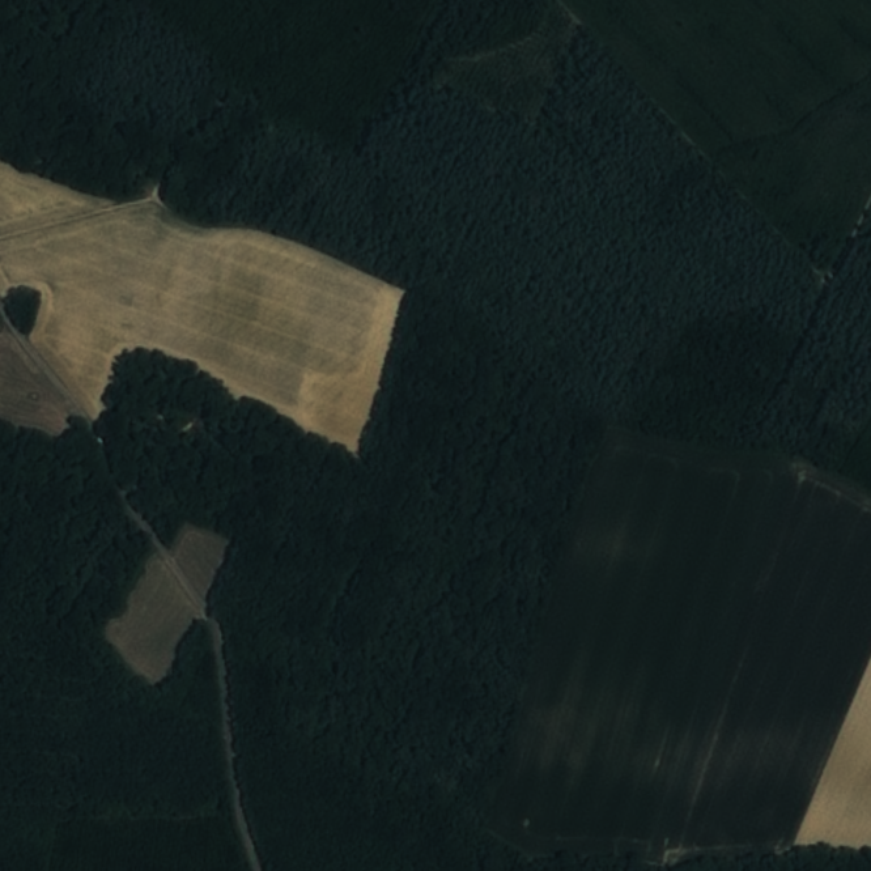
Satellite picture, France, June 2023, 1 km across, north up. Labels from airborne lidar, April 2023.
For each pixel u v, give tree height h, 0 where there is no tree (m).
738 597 0
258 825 14
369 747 15
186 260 0
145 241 0
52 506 26
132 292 0
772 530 0
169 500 22
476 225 18
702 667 0
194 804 18
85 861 6
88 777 18
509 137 36
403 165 33
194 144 22
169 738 20
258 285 0
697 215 19
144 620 0
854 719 0
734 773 0
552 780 0
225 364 0
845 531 0
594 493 0
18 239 0
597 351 21
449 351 25
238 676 15
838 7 0
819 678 0
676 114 0
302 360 0
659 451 0
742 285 28
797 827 0
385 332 0
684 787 0
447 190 36
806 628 0
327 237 14
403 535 26
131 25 28
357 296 0
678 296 26
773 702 0
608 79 23
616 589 0
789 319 26
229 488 20
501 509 22
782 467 0
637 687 0
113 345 0
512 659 25
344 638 28
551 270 26
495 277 22
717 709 0
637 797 0
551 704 0
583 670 0
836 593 0
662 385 14
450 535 17
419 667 24
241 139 22
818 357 25
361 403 0
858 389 23
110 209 0
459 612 24
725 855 0
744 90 0
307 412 0
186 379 26
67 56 16
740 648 0
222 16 6
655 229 20
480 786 30
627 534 0
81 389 0
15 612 13
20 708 18
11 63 19
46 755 15
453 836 18
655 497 0
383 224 22
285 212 19
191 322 0
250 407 19
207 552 0
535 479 26
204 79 31
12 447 23
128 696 17
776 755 0
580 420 28
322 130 7
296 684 30
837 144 0
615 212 24
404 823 15
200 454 29
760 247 26
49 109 28
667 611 0
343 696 23
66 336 0
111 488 20
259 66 6
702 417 10
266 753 17
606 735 0
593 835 0
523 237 17
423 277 21
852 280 22
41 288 0
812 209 0
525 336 21
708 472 0
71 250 0
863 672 0
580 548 0
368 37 12
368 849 17
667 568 0
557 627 0
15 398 0
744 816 0
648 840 0
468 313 23
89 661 18
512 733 18
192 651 21
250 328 0
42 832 15
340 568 26
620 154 31
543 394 20
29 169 22
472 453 26
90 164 31
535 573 21
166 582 0
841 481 0
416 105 30
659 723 0
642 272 25
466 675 25
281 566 25
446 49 20
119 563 29
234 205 22
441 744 26
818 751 0
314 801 18
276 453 14
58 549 23
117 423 25
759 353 13
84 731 14
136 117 27
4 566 27
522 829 0
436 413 28
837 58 0
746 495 0
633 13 0
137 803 17
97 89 28
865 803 0
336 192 23
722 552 0
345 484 21
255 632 16
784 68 0
